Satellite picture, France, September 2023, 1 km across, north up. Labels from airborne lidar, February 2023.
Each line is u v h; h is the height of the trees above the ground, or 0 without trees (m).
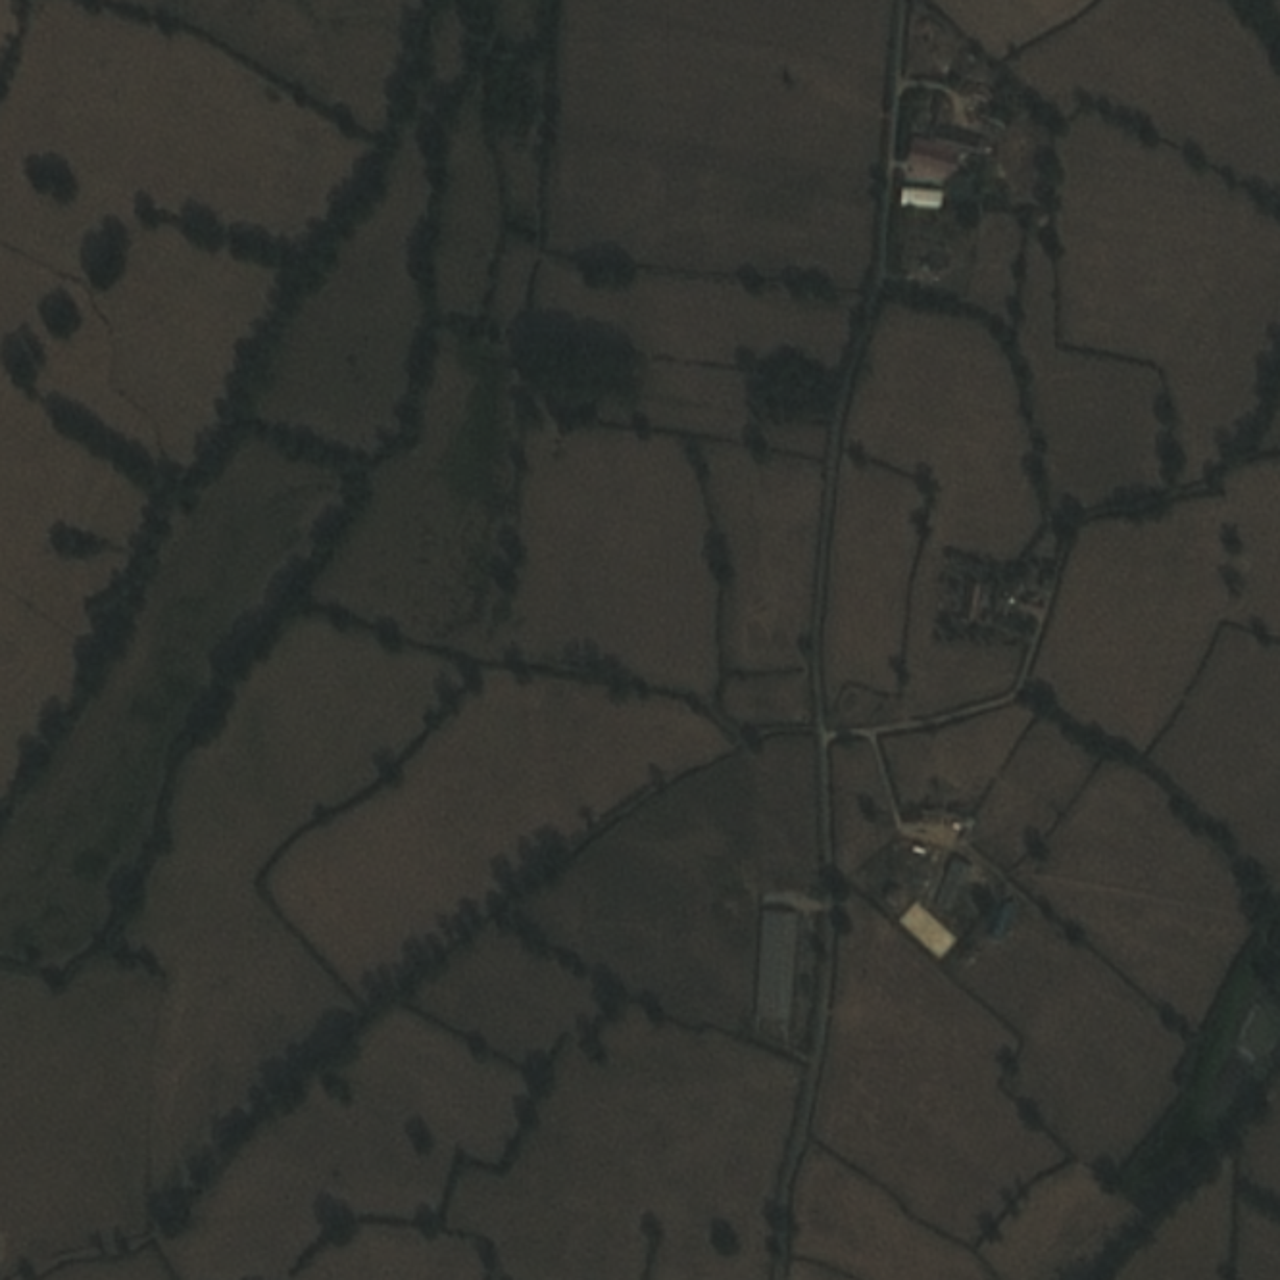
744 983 0
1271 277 0
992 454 0
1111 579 0
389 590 0
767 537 0
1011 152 0
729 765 0
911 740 0
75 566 0
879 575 0
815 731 0
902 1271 0
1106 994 0
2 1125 0
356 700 0
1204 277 0
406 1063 0
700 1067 0
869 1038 0
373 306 0
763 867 0
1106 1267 13
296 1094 19
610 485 0
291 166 0
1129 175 0
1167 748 0
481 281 0
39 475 0
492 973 0
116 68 0
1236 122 0
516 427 0
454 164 0
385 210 0
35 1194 0
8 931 0
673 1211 0
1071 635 0
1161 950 0
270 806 0
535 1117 14
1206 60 0
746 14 0
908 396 0
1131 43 0
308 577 11
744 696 0
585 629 0
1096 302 0
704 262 0
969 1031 0
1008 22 0
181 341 0
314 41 0
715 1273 0
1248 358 0
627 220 0
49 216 0
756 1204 0
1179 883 0
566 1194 0
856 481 0
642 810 0
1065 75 0
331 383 0
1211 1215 0
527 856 17
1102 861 0
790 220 0
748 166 0
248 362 18
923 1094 0
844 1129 0
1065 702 0
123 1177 0
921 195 0
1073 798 0
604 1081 0
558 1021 0
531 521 0
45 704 0
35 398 8
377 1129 0
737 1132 0
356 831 0
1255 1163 0
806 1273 0
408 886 0
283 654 0
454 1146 0
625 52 0
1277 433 0
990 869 0
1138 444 0
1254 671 0
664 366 0
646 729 0
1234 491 0
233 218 0
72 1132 0
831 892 14
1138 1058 0
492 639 0
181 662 0
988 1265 0
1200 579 0
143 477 23
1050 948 0
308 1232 0
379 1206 0
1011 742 0
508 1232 0
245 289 0
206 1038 0
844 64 0
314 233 17
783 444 0
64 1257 0
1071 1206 0
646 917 0
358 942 0
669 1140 0
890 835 0
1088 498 0
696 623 0
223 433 14
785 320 0
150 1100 0
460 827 0
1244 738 0
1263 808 0
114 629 23
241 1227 0
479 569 0
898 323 0
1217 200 0
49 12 0
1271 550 0
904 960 0
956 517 0
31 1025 0
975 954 0
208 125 0
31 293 0
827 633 0
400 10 0
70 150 0
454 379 0
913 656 0
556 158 0
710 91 0
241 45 0
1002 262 0
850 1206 0
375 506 0
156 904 0
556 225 0
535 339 22
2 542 0
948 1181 0
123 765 0
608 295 0
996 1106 0
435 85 0
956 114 0
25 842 0
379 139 11
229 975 0
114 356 0
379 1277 0
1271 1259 0
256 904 0
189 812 0
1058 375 0
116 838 0
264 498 0
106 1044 0
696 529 0
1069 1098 0
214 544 0
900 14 0
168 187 0
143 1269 0
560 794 0
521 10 0
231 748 0
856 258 0
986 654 0
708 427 0
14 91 0
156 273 0
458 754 0
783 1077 0
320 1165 0
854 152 0
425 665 0
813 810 0
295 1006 0
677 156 0
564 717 0
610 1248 0
